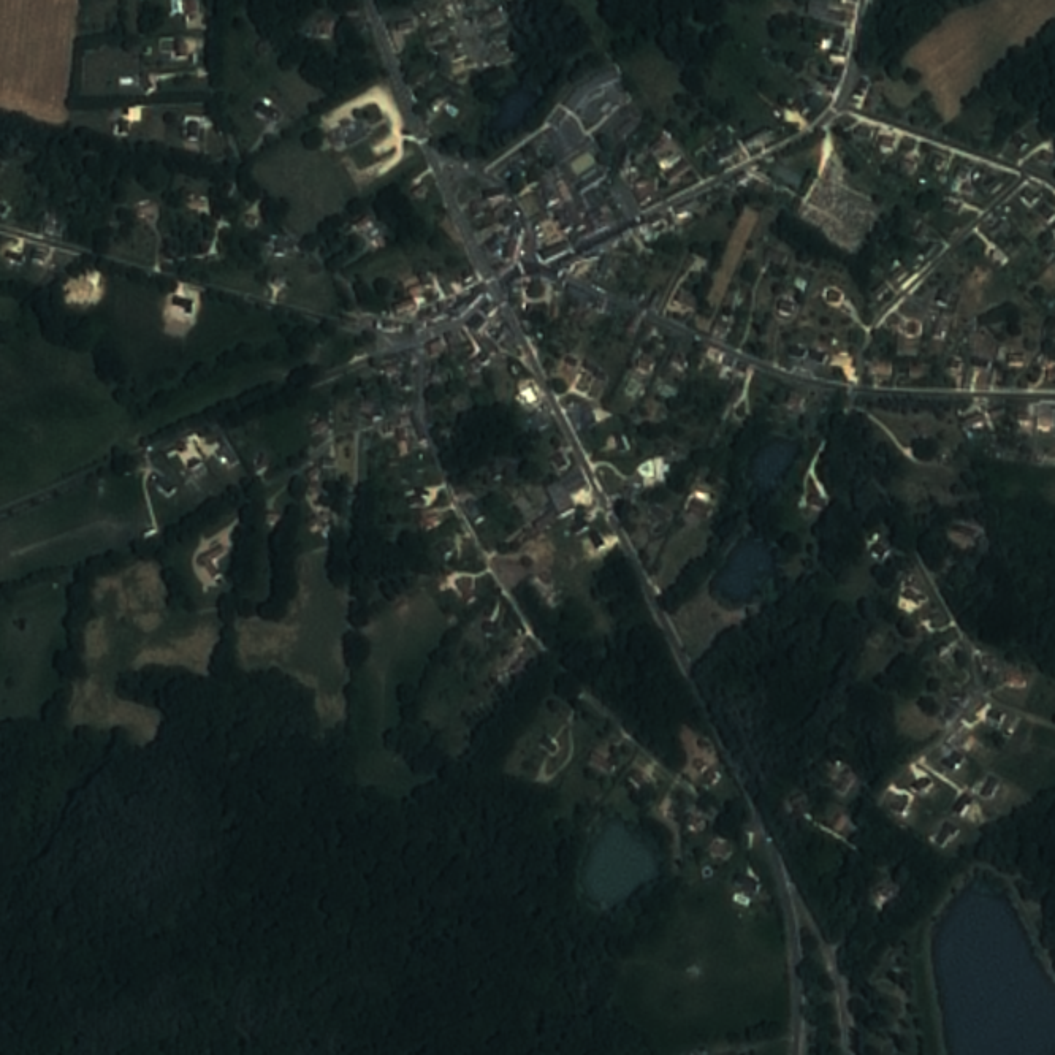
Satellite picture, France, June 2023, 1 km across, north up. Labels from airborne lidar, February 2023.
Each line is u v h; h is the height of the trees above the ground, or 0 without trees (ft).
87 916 85
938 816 0
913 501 0
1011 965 0
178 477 0
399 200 42
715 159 34
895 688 71
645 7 80
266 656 0
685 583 47
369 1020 79
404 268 0
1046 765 0
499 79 101
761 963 0
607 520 0
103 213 32
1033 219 20
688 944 0
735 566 0
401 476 0
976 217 0
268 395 48
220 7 73
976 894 0
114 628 0
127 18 25
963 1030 0
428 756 58
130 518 0
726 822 54
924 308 0
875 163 0
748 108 0
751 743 73
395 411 20
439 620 0
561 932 95
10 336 65
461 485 35
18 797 68
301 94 0
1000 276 0
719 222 0
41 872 87
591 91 0
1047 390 0
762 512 60
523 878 55
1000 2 0
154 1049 74
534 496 0
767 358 56
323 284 0
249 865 106
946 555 32
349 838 113
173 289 41
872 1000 103
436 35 0
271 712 27
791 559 35
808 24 44
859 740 52
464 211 0
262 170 0
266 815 102
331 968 75
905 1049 105
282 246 0
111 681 0
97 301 0
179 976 93
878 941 62
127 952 96
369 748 0
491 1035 106
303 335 41
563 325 22
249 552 71
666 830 33
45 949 71
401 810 75
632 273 0
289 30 51
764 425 50
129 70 0
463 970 106
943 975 0
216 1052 68
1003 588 44
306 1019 71
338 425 0
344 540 59
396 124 0
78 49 31
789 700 40
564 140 0
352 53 43
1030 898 56
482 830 22
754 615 59
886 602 21
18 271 0
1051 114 66
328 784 90
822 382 0
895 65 47
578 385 0
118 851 90
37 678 0
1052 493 0
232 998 70
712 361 0
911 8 52
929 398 0
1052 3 0
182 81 26
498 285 0
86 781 20
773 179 31
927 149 42
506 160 0
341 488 37
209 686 69
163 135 0
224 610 54
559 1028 60
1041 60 41
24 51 0
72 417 0
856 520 70
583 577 0
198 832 99
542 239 0
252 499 65
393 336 0
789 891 0
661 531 23
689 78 63
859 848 68
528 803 71
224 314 0
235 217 30
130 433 0
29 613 0
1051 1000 0
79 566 18
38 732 61
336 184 0
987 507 39
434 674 31
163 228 37
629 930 53
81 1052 89
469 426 52
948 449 0
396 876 94
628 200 0
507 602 24
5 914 68
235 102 23
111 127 0
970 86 0
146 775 91
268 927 74
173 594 47
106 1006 73
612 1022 72
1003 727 0
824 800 32
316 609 0
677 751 29
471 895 103
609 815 34
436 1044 109
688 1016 0
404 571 71
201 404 0
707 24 85
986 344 0
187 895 88
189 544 40
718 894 0
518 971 100
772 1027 43
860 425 43
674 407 45
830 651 60
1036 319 0
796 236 68
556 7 95
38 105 0
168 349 0
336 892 99
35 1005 92
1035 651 36
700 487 0
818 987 58
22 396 0
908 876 70
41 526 0
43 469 0
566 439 0
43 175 26
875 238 49
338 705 0
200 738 75
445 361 22
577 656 52
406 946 72
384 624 0
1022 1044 0
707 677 96
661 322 0
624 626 29
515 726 77
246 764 73
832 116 0
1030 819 52
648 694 60
